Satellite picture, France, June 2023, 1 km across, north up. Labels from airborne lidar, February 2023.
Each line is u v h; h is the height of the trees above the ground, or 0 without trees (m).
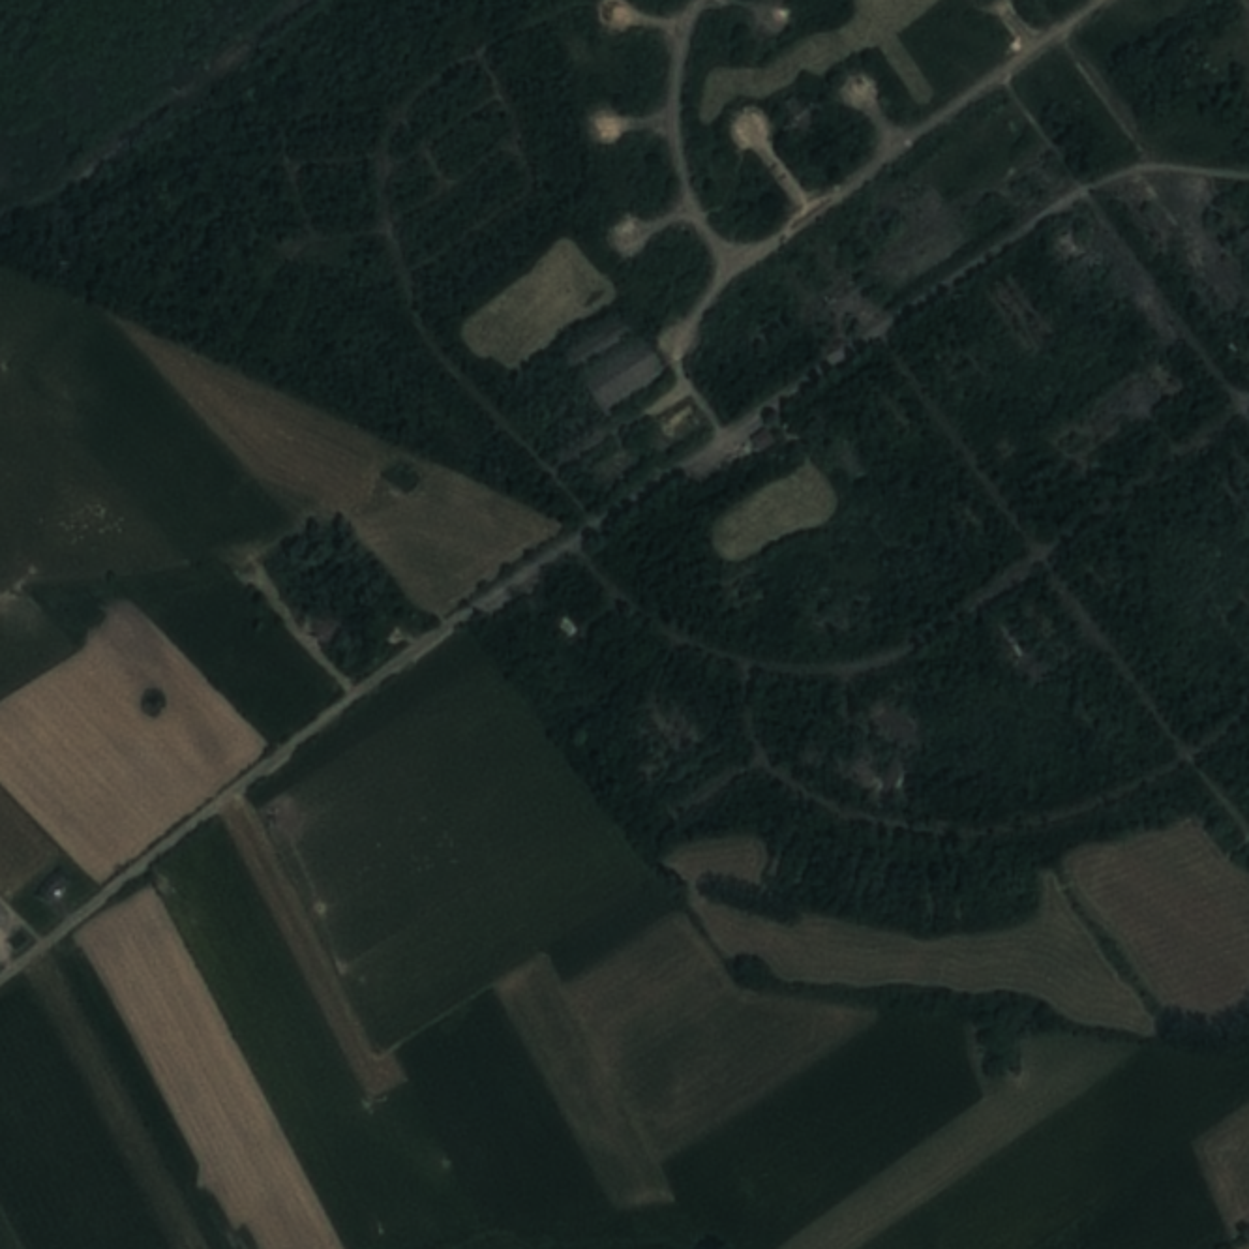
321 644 0
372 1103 0
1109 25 0
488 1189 0
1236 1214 0
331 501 0
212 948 0
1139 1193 0
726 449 0
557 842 0
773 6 0
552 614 9
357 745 0
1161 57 18
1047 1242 0
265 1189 0
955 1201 0
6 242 17
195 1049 0
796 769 8
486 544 0
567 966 0
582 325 10
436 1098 0
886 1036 0
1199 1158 0
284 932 0
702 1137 0
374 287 6
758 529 0
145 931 0
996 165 0
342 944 0
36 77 6
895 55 0
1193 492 13
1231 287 0
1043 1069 0
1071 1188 0
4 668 0
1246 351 9
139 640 0
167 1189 0
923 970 0
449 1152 0
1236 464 13
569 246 0
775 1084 0
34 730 0
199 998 0
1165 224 0
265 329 7
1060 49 0
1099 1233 0
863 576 0
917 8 0
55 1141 0
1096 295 12
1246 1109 0
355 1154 0
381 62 10
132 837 0
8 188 0
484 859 0
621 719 12
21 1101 0
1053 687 10
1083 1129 0
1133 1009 0
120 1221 0
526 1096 0
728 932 0
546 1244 0
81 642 0
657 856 7
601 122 0
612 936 0
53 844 0
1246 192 7
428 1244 0
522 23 11
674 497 19
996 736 6
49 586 0
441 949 0
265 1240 0
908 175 7
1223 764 7
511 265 13
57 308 0
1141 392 0
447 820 0
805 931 0
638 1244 0
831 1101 0
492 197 12
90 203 7
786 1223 0
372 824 0
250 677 0
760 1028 0
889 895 8
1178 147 0
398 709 0
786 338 6
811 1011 0
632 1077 0
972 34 0
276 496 0
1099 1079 0
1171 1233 0
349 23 7
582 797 0
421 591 0
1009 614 11
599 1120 0
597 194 8
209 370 0
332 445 0
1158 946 0
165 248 8
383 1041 0
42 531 0
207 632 0
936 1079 0
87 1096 0
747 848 0
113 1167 0
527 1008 0
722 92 0
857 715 19
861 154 7
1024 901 8
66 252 15
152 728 0
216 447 0
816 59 0
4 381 0
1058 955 0
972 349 8
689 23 0
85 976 0
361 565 13
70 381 0
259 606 7
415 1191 0
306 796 0
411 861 0
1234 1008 0
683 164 0
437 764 0
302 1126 0
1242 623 14
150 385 0
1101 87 0
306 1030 0
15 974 0
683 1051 0
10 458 0
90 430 0
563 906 0
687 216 0
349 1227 0
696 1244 0
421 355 8
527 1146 0
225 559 0
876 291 12
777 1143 0
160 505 0
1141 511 6
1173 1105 0
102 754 0
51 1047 0
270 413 0
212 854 0
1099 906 0
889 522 6
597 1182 0
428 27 12
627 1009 0
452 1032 0
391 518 0
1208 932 0
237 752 0
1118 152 0
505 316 0
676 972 0
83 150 6
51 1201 0
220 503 0
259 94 7
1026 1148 0
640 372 0
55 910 0
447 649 0
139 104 6
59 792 0
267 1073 0
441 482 0
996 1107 0
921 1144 0
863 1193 0
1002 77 0
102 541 0
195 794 0
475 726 0
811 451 14
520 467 13
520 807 0
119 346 0
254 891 0
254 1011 0
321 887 0
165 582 0
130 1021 0
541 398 18
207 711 0
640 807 12
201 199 13
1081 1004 0
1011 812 8
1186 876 0
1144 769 6
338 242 0
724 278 0
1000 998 7
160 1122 0
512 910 0
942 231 0
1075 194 0
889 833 18
